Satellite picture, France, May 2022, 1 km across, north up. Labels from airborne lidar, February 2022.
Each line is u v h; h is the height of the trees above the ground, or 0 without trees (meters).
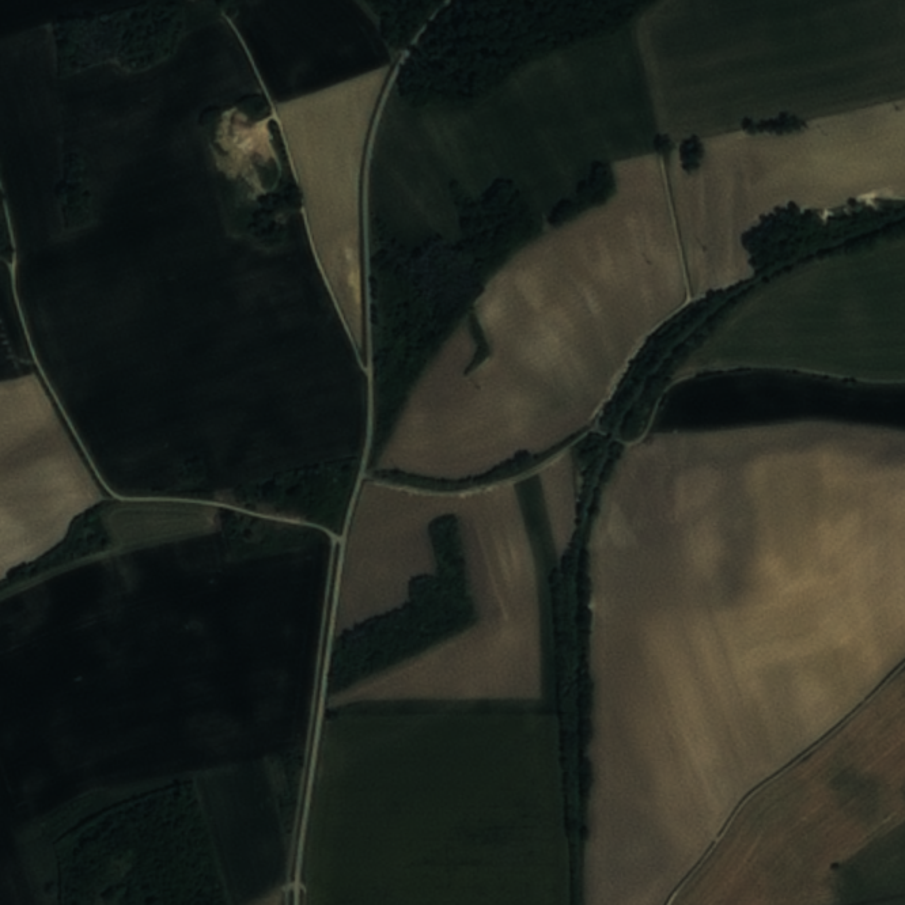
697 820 0
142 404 0
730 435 0
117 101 0
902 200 0
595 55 0
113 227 0
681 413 0
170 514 0
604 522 0
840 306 0
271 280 0
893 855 0
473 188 0
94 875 7
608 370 0
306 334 0
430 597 7
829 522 0
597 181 17
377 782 0
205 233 0
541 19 28
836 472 0
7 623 0
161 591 0
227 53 0
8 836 0
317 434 0
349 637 10
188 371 0
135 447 0
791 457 0
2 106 0
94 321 0
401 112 0
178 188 0
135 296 0
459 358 0
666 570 0
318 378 0
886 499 0
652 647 0
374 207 0
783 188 0
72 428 0
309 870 0
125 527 0
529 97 0
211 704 0
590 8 27
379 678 0
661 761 0
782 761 0
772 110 0
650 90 0
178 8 10
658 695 0
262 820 0
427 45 15
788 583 0
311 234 0
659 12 0
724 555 0
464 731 0
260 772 0
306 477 8
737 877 0
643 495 0
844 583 0
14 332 0
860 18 0
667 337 8
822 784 0
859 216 17
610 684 0
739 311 0
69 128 0
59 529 0
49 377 0
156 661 0
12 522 0
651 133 0
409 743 0
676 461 0
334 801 0
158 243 0
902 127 0
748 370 6
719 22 0
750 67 0
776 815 0
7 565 0
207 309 0
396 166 0
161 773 0
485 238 13
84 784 0
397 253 12
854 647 0
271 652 0
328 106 0
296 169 0
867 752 0
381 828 0
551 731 0
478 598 0
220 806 0
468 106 11
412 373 6
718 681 0
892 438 0
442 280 12
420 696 0
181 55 0
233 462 0
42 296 0
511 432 0
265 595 0
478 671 0
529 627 0
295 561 0
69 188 15
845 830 0
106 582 0
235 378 0
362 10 0
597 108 0
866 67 0
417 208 0
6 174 0
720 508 0
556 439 0
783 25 0
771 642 0
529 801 0
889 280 0
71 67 10
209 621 0
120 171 0
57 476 0
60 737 0
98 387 0
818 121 0
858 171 0
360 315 0
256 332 0
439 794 0
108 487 0
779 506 0
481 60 26
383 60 0
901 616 0
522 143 0
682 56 0
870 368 0
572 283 0
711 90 0
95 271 0
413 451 0
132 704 0
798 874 0
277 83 0
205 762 0
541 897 0
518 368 0
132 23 7
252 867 0
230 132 0
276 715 0
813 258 7
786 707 0
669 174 0
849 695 0
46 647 0
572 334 0
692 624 0
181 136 0
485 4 28
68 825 0
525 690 0
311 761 0
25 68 0
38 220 0
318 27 0
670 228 0
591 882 0
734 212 0
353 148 0
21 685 0
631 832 0
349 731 0
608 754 0
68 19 11
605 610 0
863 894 0
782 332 0
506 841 0
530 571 0
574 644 13
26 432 0
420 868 0
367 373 0
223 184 0
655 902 0
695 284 0
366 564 0
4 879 0
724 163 0
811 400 0
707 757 0
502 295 0
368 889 0
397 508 0
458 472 0
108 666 0
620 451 7
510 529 0
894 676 0
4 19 0
